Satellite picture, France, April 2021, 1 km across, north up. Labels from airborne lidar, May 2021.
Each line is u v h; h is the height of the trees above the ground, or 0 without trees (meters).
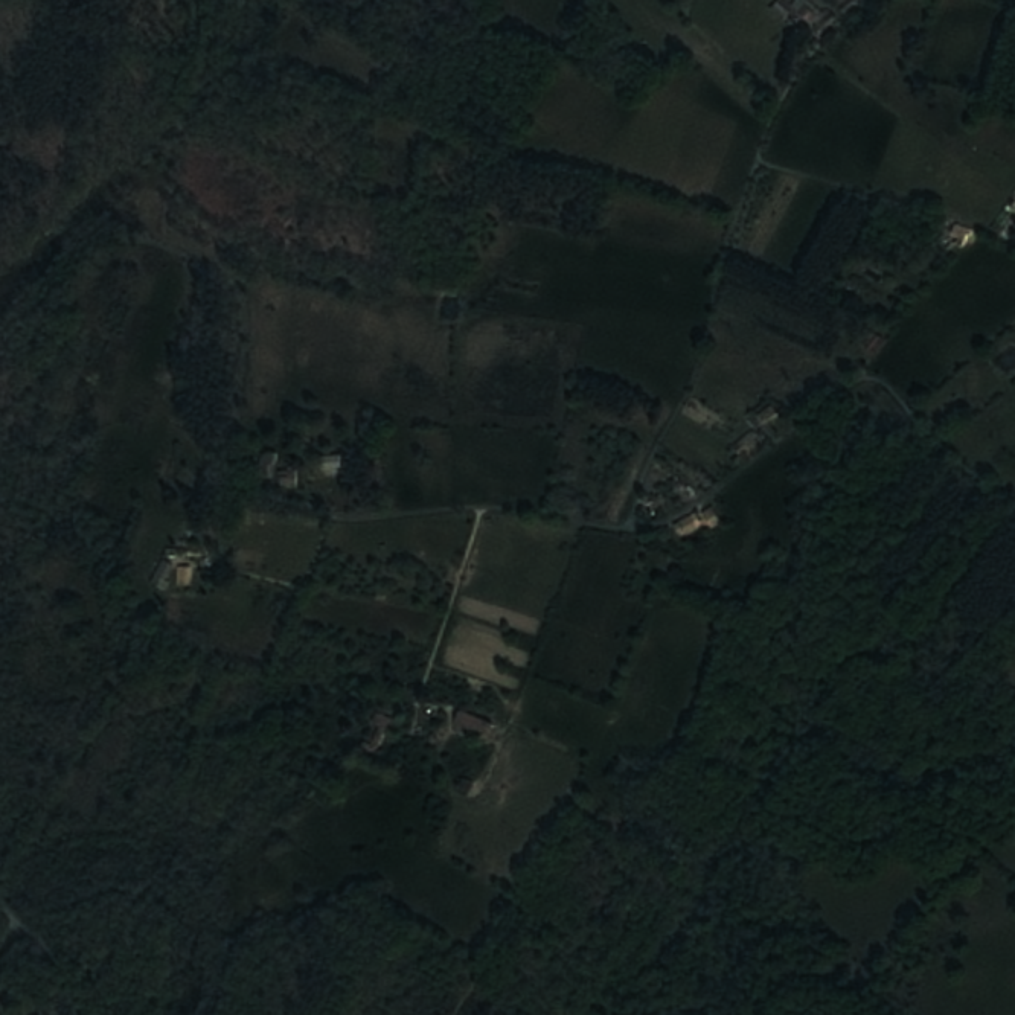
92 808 12
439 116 16
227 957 16
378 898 20
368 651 8
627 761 19
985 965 0
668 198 18
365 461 17
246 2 21
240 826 17
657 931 27
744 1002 21
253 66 22
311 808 6
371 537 0
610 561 0
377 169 12
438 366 0
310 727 16
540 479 0
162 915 20
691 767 23
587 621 0
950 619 18
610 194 17
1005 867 9
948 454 18
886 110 0
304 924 15
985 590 18
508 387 0
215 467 16
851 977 13
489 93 22
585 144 0
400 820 0
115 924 20
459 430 0
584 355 0
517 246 0
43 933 14
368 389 0
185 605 0
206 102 17
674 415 0
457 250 20
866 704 21
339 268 20
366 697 18
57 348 23
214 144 16
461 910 0
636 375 0
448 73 20
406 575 13
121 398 0
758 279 16
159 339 0
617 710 15
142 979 20
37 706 14
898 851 23
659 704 0
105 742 12
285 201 9
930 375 0
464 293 14
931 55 0
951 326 0
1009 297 0
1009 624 16
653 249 0
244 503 16
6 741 14
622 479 8
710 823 27
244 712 8
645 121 0
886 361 0
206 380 23
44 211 18
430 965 13
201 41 21
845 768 26
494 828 0
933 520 14
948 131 0
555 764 0
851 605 19
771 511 0
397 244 12
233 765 17
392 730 13
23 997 22
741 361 0
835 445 28
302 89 24
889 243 20
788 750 28
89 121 22
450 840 0
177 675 22
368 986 14
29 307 17
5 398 8
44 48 22
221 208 0
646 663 0
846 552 23
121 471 0
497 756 0
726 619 22
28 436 18
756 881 23
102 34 13
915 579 23
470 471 0
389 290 19
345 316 0
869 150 0
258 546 0
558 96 0
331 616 0
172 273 0
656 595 11
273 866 0
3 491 21
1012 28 19
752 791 28
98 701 10
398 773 22
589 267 0
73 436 7
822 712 24
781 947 28
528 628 0
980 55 0
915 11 0
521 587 0
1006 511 14
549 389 0
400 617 0
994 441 0
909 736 24
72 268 17
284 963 21
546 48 19
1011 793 23
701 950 22
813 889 0
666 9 10
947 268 15
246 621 0
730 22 0
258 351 0
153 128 22
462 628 0
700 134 0
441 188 16
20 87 15
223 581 14
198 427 21
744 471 0
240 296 14
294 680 8
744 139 0
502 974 20
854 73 0
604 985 30
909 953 13
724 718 20
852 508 23
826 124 0
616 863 17
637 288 0
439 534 0
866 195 11
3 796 21
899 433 27
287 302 0
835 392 21
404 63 17
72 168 24
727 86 0
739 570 0
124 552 12
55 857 7
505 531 0
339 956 19
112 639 9
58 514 19
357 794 0
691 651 0
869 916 0
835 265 18
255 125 22
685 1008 17
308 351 0
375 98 17
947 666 10
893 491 24
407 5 17
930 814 19
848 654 26
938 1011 0
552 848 23
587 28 24
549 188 26
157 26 10
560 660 0
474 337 0
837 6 8
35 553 17
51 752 8
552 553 0
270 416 0
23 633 22
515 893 19
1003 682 16
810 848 19
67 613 18
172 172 13
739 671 25
